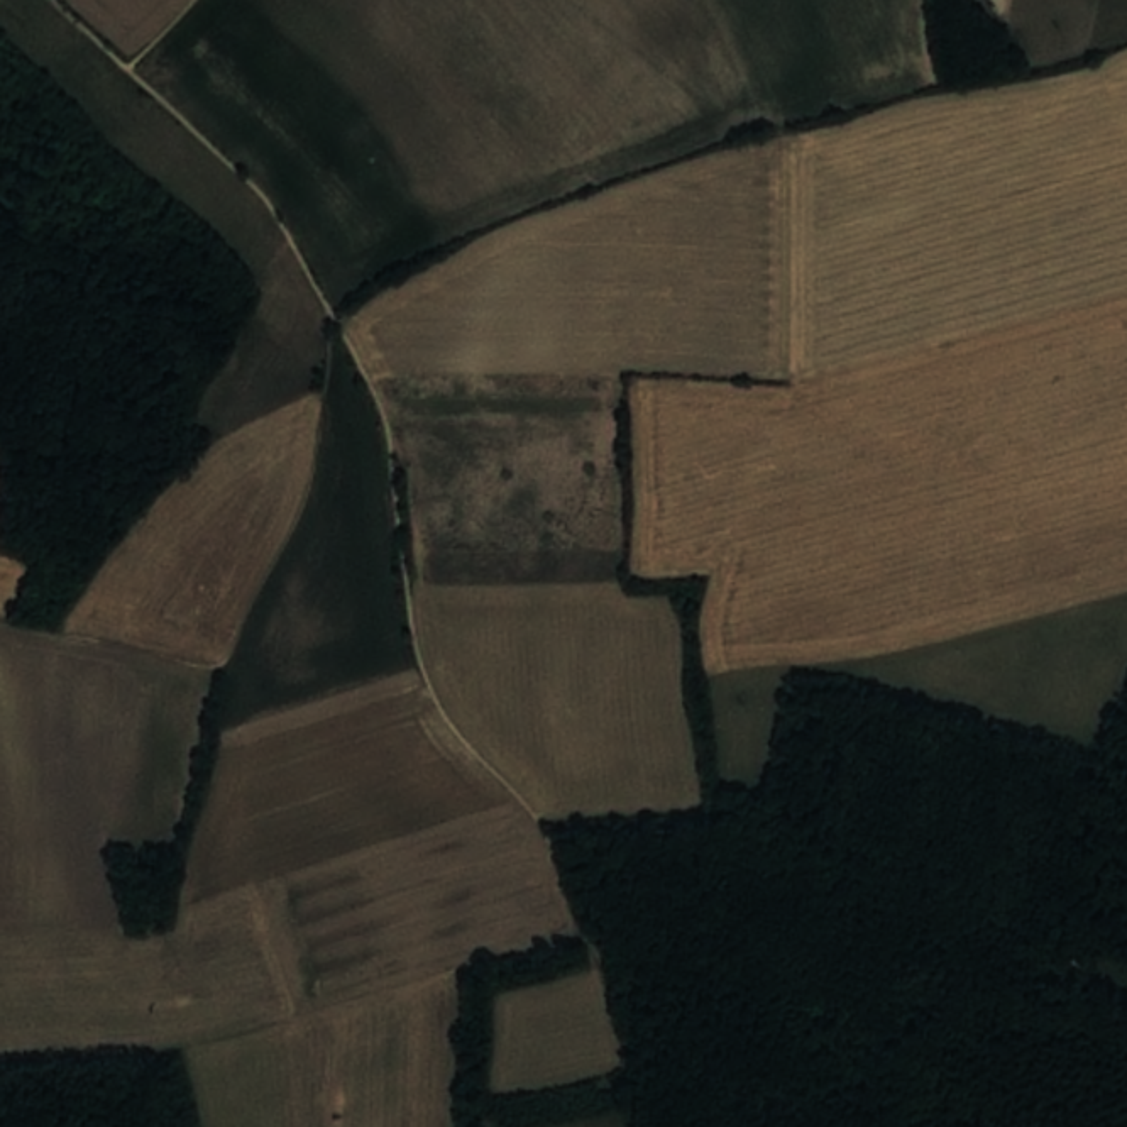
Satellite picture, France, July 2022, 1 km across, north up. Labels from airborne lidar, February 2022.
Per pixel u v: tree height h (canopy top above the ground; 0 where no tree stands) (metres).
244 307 23
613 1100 8
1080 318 0
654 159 0
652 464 0
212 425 0
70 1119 25
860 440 0
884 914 25
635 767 0
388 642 0
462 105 0
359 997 0
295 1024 0
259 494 0
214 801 0
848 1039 6
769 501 0
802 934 22
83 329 27
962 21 20
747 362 0
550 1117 7
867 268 0
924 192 0
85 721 0
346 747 0
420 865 0
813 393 0
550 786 0
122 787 0
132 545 0
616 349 0
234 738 0
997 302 0
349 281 0
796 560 0
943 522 0
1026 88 0
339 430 0
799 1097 25
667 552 0
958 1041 13
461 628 0
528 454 0
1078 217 0
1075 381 0
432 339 0
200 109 0
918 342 0
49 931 0
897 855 27
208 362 26
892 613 0
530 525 0
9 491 20
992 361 0
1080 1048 20
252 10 0
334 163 0
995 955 25
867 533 0
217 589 0
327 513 0
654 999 20
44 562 22
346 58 0
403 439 0
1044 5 0
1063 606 0
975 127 0
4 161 11
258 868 0
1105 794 23
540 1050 0
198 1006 0
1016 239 0
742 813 17
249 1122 0
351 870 0
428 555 0
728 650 0
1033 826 24
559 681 0
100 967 0
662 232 0
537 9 0
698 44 0
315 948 0
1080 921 25
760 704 0
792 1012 16
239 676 0
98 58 0
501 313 0
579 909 15
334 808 0
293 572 0
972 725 23
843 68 0
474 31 0
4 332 23
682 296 0
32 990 0
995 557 0
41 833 0
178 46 0
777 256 0
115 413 32
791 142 0
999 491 0
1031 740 22
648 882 24
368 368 0
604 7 0
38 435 27
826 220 0
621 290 0
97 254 9
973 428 0
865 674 0
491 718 0
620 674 0
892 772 24
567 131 0
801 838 23
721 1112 26
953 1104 19
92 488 24
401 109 0
